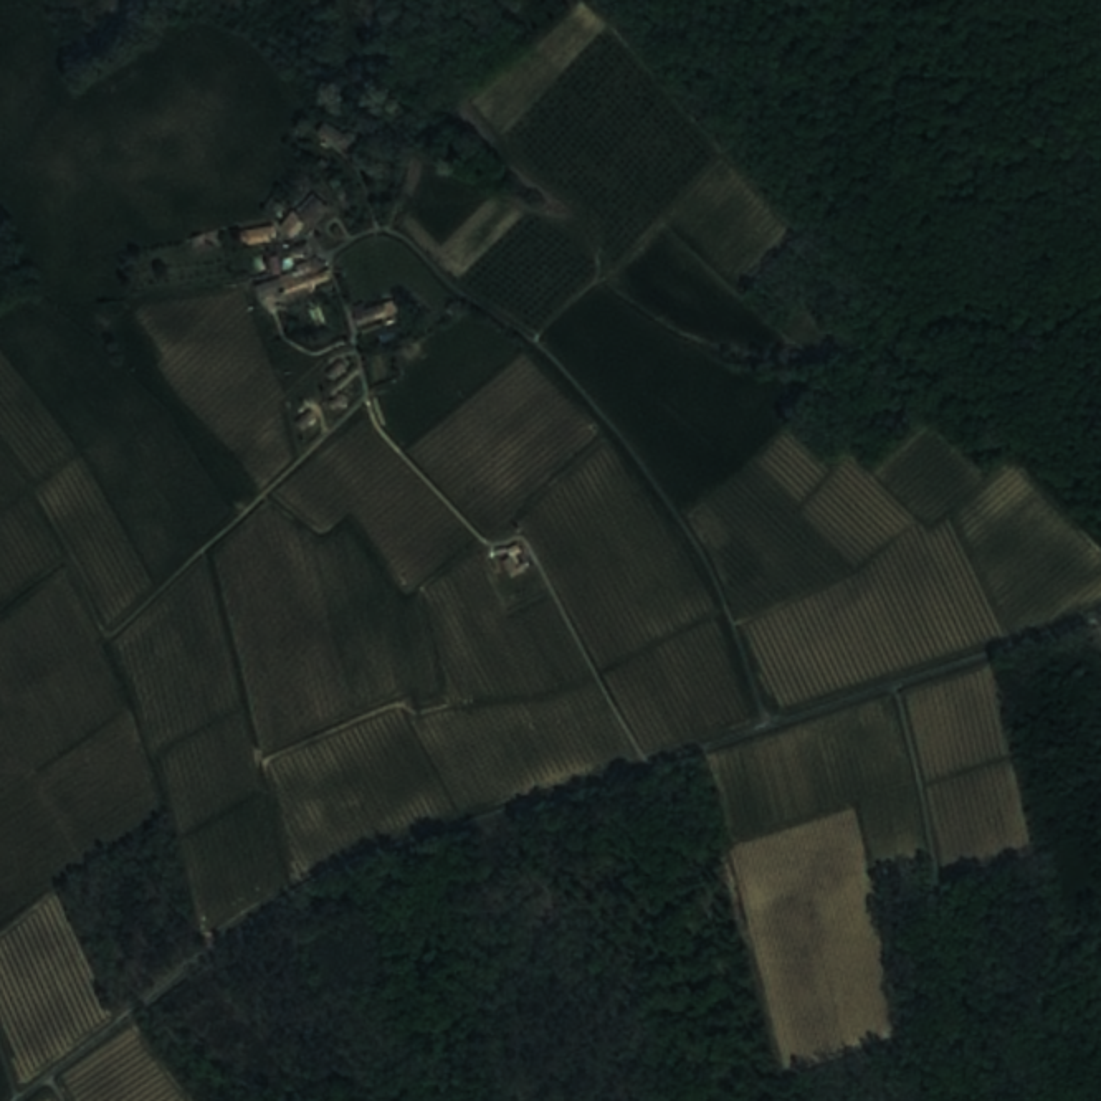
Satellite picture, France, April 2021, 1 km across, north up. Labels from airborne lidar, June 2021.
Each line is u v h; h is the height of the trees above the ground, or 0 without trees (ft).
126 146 0
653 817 76
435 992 105
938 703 0
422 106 92
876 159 66
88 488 0
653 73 37
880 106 65
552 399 0
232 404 0
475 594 0
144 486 0
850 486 0
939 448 0
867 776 0
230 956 68
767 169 67
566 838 64
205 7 33
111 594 0
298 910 63
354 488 0
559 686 0
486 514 0
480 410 0
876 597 0
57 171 0
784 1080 30
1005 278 82
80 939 24
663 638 0
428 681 0
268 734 0
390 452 0
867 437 71
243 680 0
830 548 0
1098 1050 65
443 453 0
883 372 86
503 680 0
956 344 97
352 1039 44
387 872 89
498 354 0
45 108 0
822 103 69
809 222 63
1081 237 84
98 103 0
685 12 80
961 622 0
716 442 0
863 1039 0
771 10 78
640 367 0
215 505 0
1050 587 0
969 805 0
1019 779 23
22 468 0
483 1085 80
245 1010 59
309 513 0
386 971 70
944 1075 91
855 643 0
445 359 0
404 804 0
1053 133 85
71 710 0
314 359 0
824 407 69
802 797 0
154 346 0
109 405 0
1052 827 21
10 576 0
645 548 0
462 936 64
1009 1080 75
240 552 0
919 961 77
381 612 0
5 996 0
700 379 0
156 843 41
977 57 88
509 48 52
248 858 0
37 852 0
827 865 0
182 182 0
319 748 0
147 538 0
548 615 0
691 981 27
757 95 63
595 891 34
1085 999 61
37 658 0
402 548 0
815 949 0
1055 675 22
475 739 0
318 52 40
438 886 88
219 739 0
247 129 0
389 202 42
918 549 0
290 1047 76
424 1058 90
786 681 0
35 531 0
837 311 66
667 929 81
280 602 0
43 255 0
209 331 0
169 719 0
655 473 0
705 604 0
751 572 0
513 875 64
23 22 0
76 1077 0
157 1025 57
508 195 29
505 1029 71
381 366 0
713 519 0
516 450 0
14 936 0
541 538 0
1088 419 85
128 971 49
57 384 0
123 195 0
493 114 0
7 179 0
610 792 50
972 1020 81
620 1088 83
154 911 42
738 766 0
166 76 0
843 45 78
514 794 0
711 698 0
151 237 0
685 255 0
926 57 76
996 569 0
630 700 0
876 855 0
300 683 0
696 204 0
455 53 57
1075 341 92
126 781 0
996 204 80
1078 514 57
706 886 63
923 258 89
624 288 0
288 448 0
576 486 0
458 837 54
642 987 41
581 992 66
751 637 0
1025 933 65
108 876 48
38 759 0
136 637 0
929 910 75
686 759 49
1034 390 79
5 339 0
